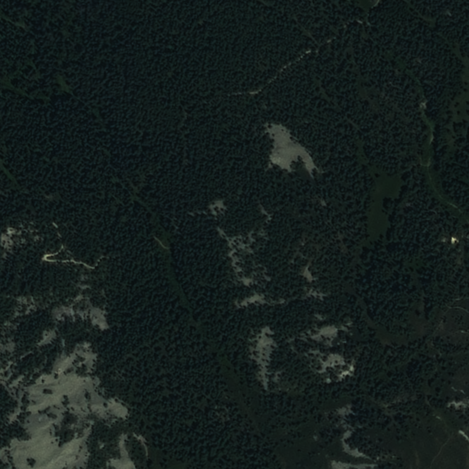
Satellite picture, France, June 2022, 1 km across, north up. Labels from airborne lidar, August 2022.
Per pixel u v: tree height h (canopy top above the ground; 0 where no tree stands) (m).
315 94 18
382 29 24
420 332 0
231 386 0
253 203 13
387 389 13
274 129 0
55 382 0
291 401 14
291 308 13
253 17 18
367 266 22
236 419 10
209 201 20
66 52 6
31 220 9
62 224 15
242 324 18
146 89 26
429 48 18
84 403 0
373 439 0
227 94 14
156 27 28
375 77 14
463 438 0
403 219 27
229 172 14
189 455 28
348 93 13
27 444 0
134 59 21
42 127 31
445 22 22
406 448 0
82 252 12
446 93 25
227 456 18
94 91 22
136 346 15
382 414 11
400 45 18
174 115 21
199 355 17
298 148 0
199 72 20
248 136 19
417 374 15
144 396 16
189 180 22
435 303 19
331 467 0
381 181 0
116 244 26
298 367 12
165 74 28
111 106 23
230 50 22
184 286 24
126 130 20
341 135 21
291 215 11
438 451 0
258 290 12
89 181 22
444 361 17
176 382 20
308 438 0
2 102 31
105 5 19
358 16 25
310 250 9
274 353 9
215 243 19
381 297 21
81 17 15
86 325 13
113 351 20
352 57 23
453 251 15
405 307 18
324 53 17
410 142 8
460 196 18
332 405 0
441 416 0
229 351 22
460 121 0
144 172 24
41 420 0
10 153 8
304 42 15
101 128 38
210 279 25
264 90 13
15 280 24
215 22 21
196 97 21
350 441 10
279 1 18
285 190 13
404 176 13
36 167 26
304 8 14
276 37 15
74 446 0
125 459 0
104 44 8
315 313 10
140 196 21
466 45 17
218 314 20
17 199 18
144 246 24
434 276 16
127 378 22
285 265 14
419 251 25
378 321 25
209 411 18
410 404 16
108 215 24
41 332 7
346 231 18
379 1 0
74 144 28
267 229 9
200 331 5
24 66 13
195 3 23
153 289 19
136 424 10
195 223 19
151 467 24
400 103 6
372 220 0
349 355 11
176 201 23
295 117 14
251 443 20
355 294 0
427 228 12
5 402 8
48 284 9
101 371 9
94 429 12
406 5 17
